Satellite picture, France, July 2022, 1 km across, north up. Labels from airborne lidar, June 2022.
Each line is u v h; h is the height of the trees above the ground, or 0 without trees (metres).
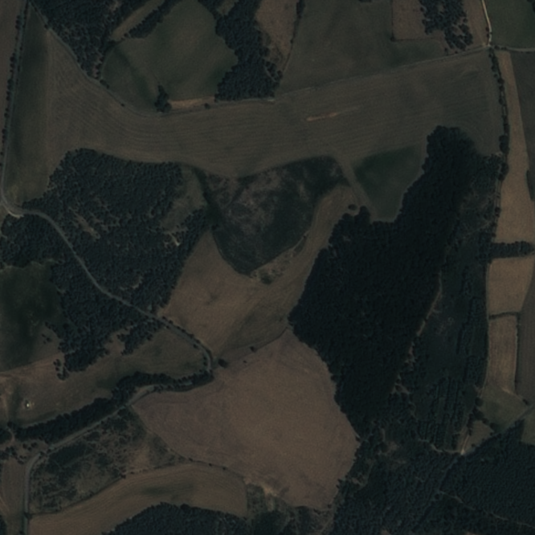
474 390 0
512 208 0
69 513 0
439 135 17
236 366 0
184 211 0
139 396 0
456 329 0
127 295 16
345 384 17
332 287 18
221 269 0
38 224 14
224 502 0
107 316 17
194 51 0
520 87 0
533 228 0
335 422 0
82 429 11
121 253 12
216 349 0
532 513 20
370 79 0
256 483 0
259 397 0
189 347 0
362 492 6
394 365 18
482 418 12
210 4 17
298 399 0
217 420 0
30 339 0
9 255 11
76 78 0
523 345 0
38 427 16
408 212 22
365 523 15
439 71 0
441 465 18
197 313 0
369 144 0
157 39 0
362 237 19
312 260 0
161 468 0
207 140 0
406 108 0
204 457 0
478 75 0
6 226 11
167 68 0
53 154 0
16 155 0
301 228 0
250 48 17
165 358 0
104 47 14
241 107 0
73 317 21
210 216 0
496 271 0
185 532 10
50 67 0
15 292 0
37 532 0
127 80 0
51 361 0
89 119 0
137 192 10
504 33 0
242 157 0
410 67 0
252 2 19
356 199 0
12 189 0
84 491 0
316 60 0
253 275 0
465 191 15
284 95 0
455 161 23
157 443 0
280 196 0
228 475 0
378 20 0
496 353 0
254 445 0
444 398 14
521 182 0
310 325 23
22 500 0
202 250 0
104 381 0
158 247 11
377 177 0
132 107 0
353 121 0
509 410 0
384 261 23
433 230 22
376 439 11
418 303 19
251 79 19
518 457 22
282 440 0
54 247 17
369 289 19
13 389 0
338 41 0
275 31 0
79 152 12
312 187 0
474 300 16
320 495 0
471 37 13
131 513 0
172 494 0
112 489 0
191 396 0
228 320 0
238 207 0
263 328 0
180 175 12
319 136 0
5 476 0
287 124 0
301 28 0
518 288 0
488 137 0
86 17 22
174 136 0
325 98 0
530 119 0
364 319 18
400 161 0
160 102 13
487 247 15
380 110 0
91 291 18
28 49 0
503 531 18
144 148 0
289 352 0
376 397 21
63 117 0
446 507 6
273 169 0
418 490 13
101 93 0
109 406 18
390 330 21
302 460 0
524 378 0
